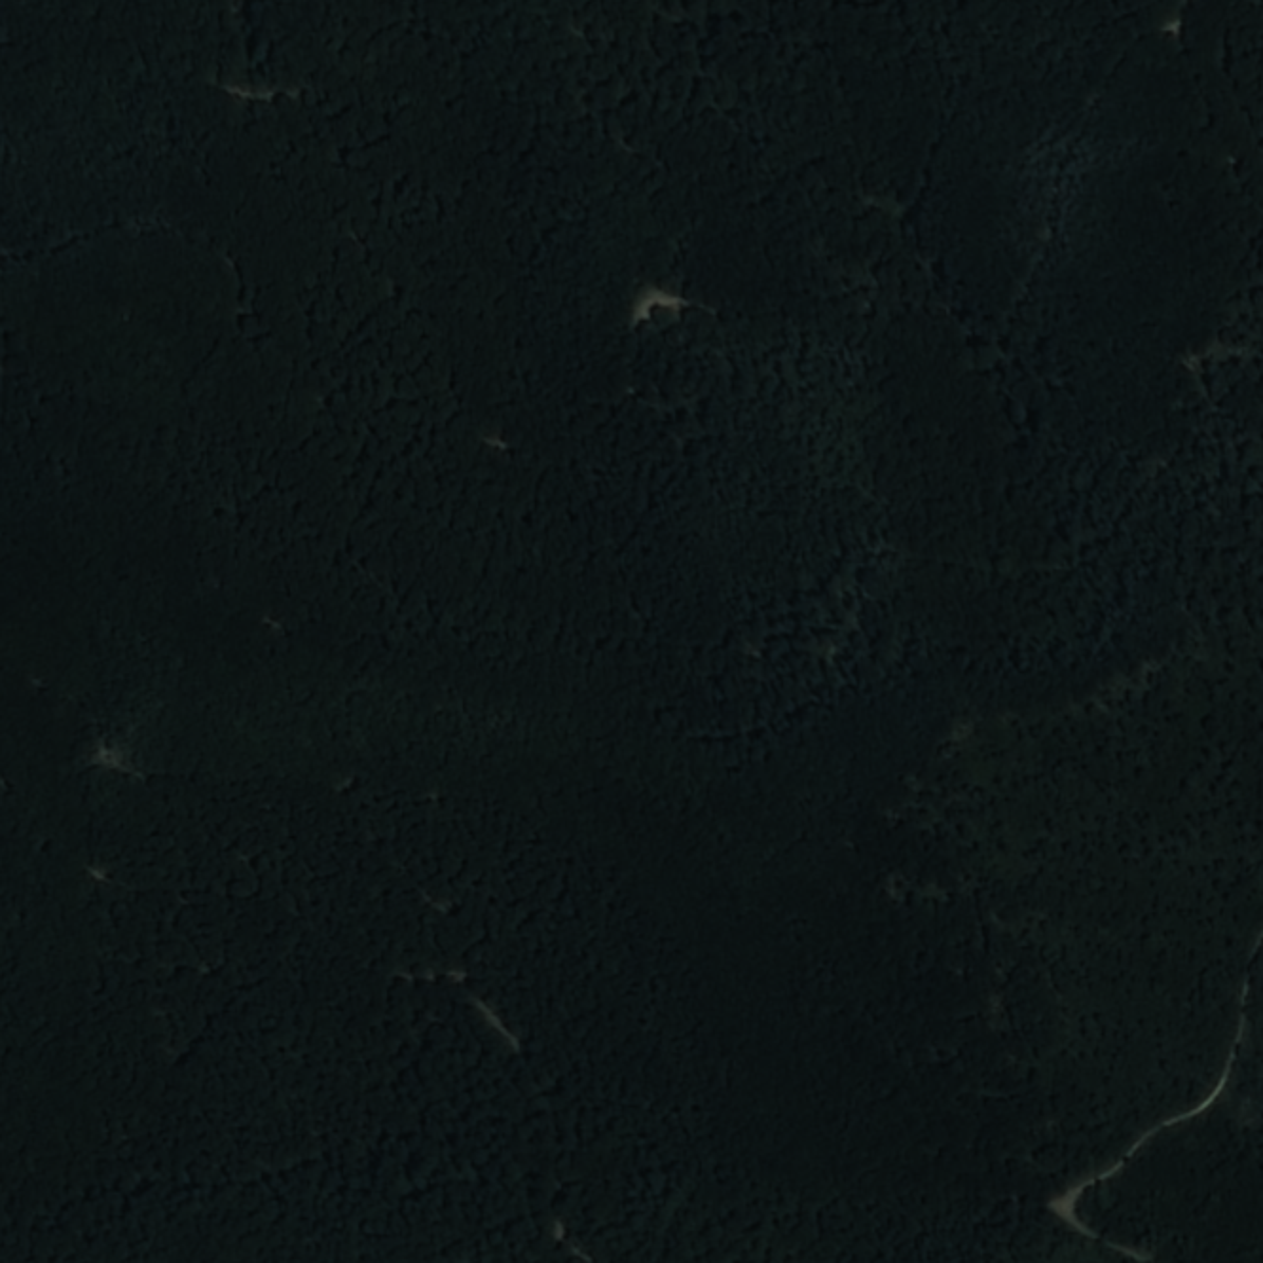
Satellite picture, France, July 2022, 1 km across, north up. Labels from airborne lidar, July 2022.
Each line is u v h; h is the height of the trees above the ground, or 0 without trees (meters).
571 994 29
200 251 30
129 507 24
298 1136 25
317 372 33
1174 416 17
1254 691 17
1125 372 20
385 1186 30
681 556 23
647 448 20
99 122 17
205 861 31
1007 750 9
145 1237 12
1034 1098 21
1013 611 17
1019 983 24
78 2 23
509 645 31
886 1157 22
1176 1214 7
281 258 40
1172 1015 6
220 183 27
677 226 21
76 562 12
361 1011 30
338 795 29
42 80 21
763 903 19
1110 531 21
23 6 25
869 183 19
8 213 23
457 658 33
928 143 21
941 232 28
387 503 42
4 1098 15
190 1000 28
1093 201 14
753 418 14
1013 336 19
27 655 27
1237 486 26
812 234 12
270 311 31
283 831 29
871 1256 19
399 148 37
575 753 14
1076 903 20
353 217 34
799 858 21
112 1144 24
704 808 17
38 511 23
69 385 16
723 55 27
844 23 33
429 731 16
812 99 20
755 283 15
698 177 23
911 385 34
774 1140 22
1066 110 14
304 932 27
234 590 25
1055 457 11
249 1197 34
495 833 24
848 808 12
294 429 34
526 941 23
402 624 28
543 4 14
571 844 25
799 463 19
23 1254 22
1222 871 14
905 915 20
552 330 24
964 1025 20
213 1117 24
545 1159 11
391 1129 30
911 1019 22
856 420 7
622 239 17
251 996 29
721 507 22
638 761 15
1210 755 8
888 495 10
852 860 20
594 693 33
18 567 16
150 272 18
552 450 33
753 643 24
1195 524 23
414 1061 29
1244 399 26
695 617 25
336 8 22
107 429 24
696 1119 23
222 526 30
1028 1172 19
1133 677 13
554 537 30
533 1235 22
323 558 28
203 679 21
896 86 24
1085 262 14
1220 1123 7
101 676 22
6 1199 14
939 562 8
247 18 10
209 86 22
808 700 19
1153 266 15
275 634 19
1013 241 13
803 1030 23
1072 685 22
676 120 28
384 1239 12
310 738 20
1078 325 17
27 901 27
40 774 32
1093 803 8
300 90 26
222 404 32
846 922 20
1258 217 36
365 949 26
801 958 18
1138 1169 9
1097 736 9
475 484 30
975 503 12
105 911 28
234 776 25
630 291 12
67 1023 20
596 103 25
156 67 22
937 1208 21
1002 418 32
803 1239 21
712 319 23
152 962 22
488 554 33
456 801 22
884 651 23
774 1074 23
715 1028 25
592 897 27
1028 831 8
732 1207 24
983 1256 19
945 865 23
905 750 13
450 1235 28
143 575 24
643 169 19
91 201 19
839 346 20
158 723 15
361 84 34
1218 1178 14
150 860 29
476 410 27
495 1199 24
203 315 30
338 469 38
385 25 32
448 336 26
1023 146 12
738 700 29
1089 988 10
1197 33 22
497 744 13
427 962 27
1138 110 15
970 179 17
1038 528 16
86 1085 18
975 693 15
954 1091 23
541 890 26
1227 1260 7
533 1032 22
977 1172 21
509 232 32
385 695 11
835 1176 16
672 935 23
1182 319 20
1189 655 17
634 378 22
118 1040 27
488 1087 28
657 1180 29
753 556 22
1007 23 19
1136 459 7
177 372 19
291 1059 23
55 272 15
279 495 28
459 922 28
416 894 23
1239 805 18
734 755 25
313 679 19
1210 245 29
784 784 21
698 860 26
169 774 22
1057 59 17
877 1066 20
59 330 18
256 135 29
